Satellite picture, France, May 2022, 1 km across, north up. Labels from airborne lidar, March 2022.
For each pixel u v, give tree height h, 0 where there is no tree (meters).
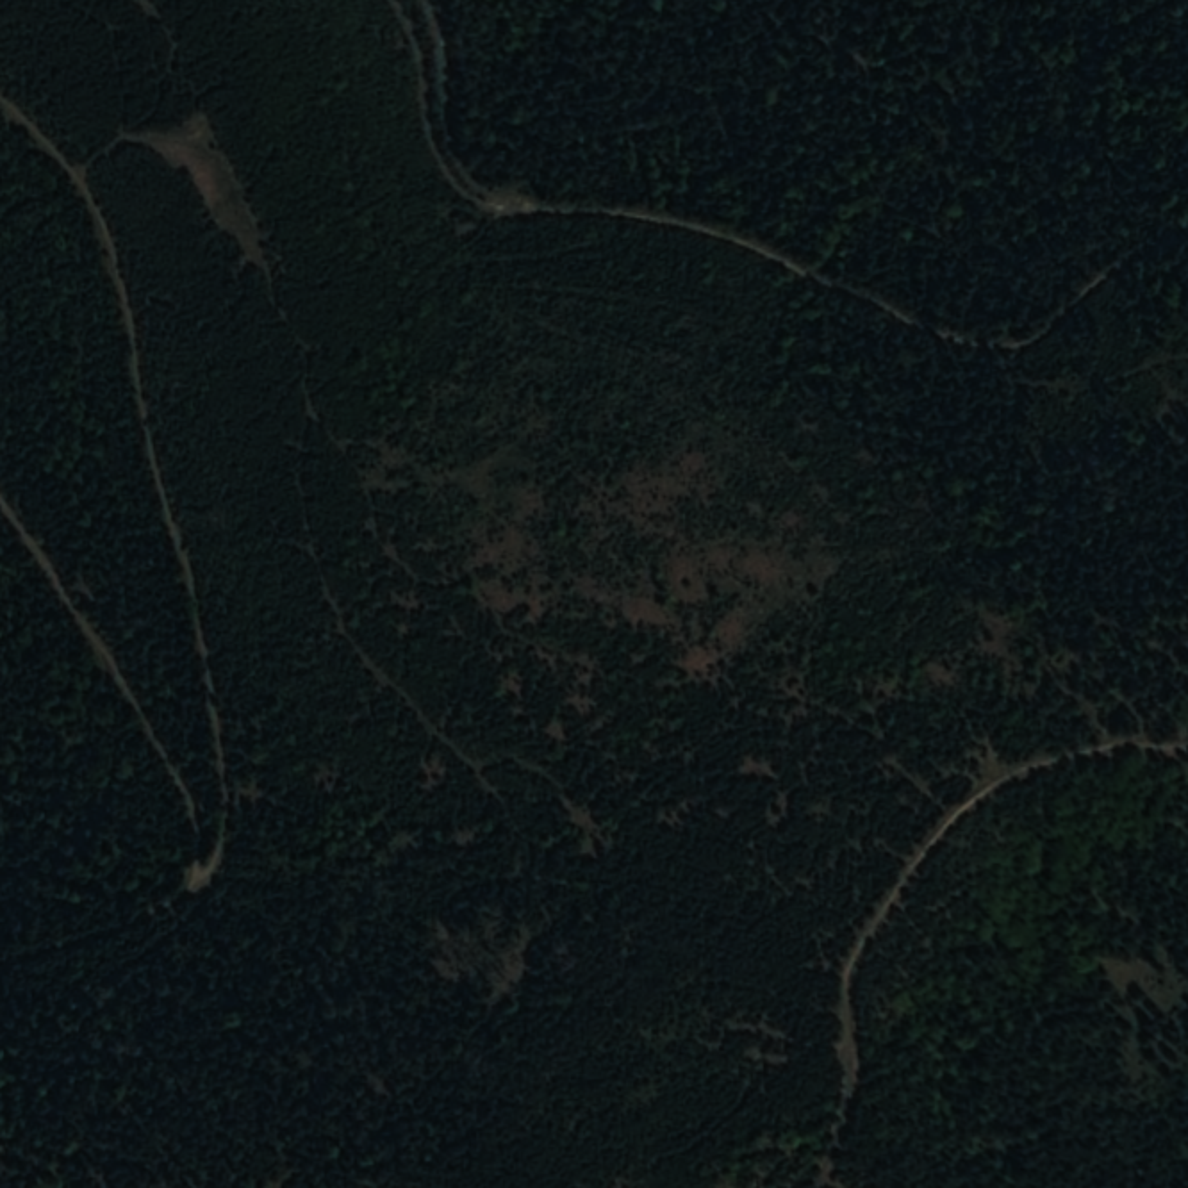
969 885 12
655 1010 9
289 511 9
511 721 10
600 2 20
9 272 18
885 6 22
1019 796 15
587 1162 6
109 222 11
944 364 8
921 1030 24
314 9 6
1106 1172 26
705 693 8
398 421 6
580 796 10
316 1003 14
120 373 15
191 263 10
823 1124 16
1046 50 29
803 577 0
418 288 6
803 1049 12
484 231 6
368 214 8
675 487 0
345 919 14
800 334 11
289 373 9
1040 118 12
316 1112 28
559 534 10
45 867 15
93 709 29
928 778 9
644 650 7
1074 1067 26
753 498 7
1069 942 24
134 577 24
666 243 7
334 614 11
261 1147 26
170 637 19
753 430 7
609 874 19
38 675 29
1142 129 20
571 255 7
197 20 12
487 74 27
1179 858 19
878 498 6
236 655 9
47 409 18
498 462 0
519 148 32
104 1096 27
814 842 8
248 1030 30
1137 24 18
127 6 14
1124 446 29
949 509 8
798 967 12
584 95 31
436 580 7
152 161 10
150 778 15
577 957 20
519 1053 8
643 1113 7
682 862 11
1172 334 10
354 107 12
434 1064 29
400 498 6
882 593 7
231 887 11
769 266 6
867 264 17
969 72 26
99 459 18
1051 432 7
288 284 10
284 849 15
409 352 8
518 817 12
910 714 11
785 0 33
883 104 14
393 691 9
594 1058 13
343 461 9
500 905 15
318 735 9
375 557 8
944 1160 9
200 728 17
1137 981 0
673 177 32
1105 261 11
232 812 14
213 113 13
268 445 10
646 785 13
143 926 14
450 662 11
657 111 32
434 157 8
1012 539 21
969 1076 23
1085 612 16
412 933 11
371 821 16
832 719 8
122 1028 27
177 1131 26
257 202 10
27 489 19
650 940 16
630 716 8
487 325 7
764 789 14
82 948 13
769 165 34
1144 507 26
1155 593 33
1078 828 18
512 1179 14
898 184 24
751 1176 7
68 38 13
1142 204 27
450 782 11
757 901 11
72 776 20
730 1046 9
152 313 11
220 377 10
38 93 11
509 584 9
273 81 7
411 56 9
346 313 10
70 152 9
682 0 32
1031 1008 16
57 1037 26
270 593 8
